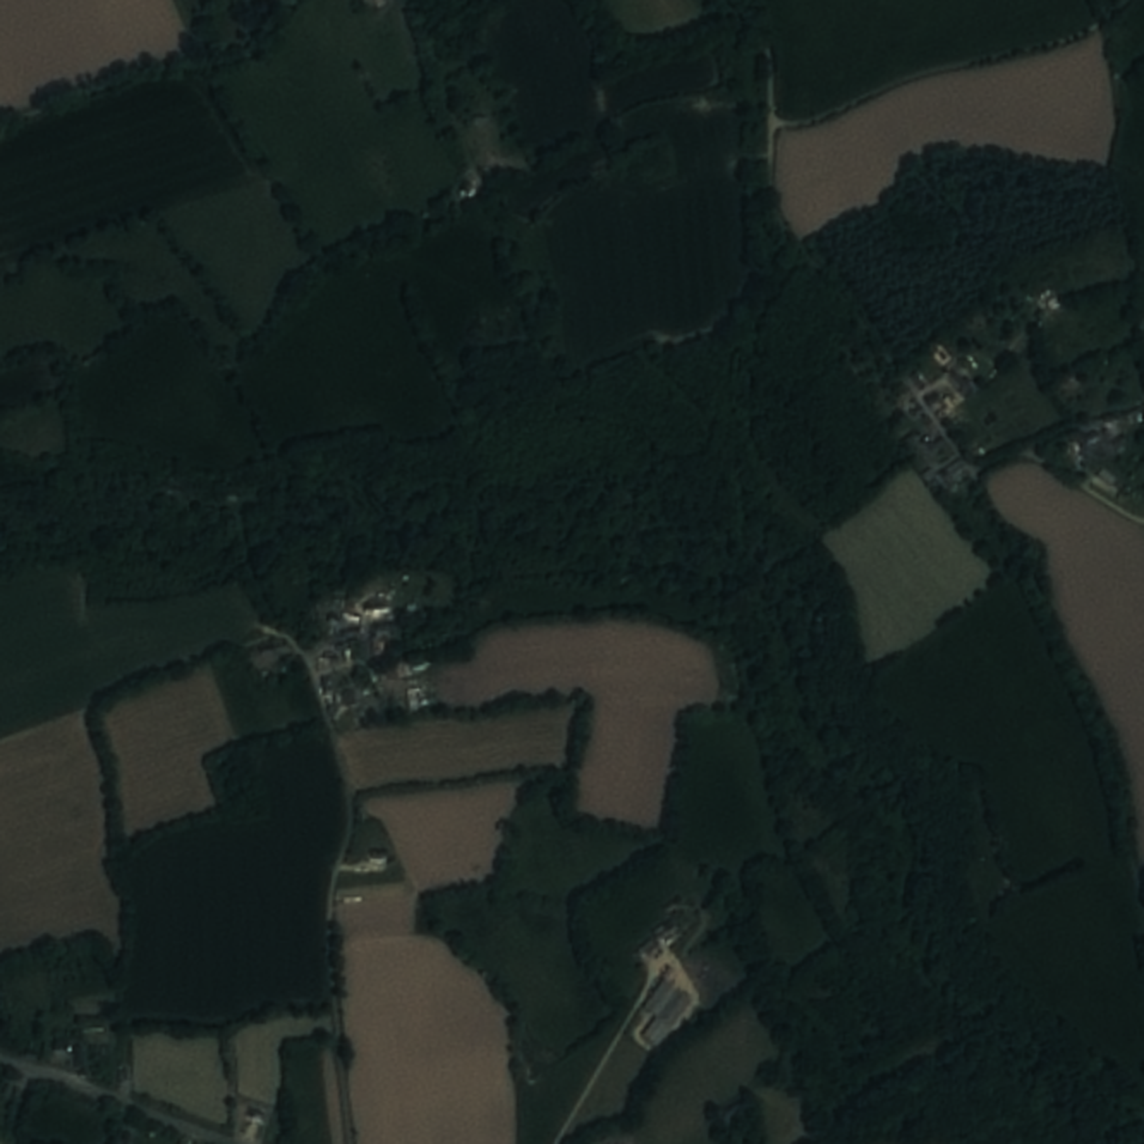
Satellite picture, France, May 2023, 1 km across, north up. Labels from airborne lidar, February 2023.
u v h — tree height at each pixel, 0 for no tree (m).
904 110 0
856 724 14
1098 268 0
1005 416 0
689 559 30
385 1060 0
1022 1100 22
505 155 0
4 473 9
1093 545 0
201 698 0
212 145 0
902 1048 19
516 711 16
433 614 11
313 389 0
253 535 10
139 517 13
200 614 0
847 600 12
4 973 13
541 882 0
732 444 6
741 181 14
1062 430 7
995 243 21
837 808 23
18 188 0
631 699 0
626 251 0
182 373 0
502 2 21
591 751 0
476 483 16
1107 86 0
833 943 10
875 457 12
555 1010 0
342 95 0
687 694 0
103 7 0
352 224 0
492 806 0
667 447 11
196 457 0
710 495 14
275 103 0
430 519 20
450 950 11
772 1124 0
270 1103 0
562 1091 0
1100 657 0
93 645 0
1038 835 0
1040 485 0
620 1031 0
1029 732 0
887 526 0
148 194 0
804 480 12
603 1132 15
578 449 15
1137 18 0
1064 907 0
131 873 0
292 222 15
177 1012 0
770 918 0
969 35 0
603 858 0
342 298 0
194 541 6
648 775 0
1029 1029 16
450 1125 0
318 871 0
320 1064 0
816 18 0
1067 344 0
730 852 0
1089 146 0
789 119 0
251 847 0
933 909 17
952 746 0
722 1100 0
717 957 0
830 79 0
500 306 0
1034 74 0
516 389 15
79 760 0
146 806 0
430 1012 0
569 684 0
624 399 15
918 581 0
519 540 12
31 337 0
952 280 20
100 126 0
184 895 0
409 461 13
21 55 0
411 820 0
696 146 0
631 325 0
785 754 17
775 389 13
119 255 0
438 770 0
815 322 16
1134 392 0
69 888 0
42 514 9
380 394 0
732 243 0
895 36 0
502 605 0
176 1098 0
